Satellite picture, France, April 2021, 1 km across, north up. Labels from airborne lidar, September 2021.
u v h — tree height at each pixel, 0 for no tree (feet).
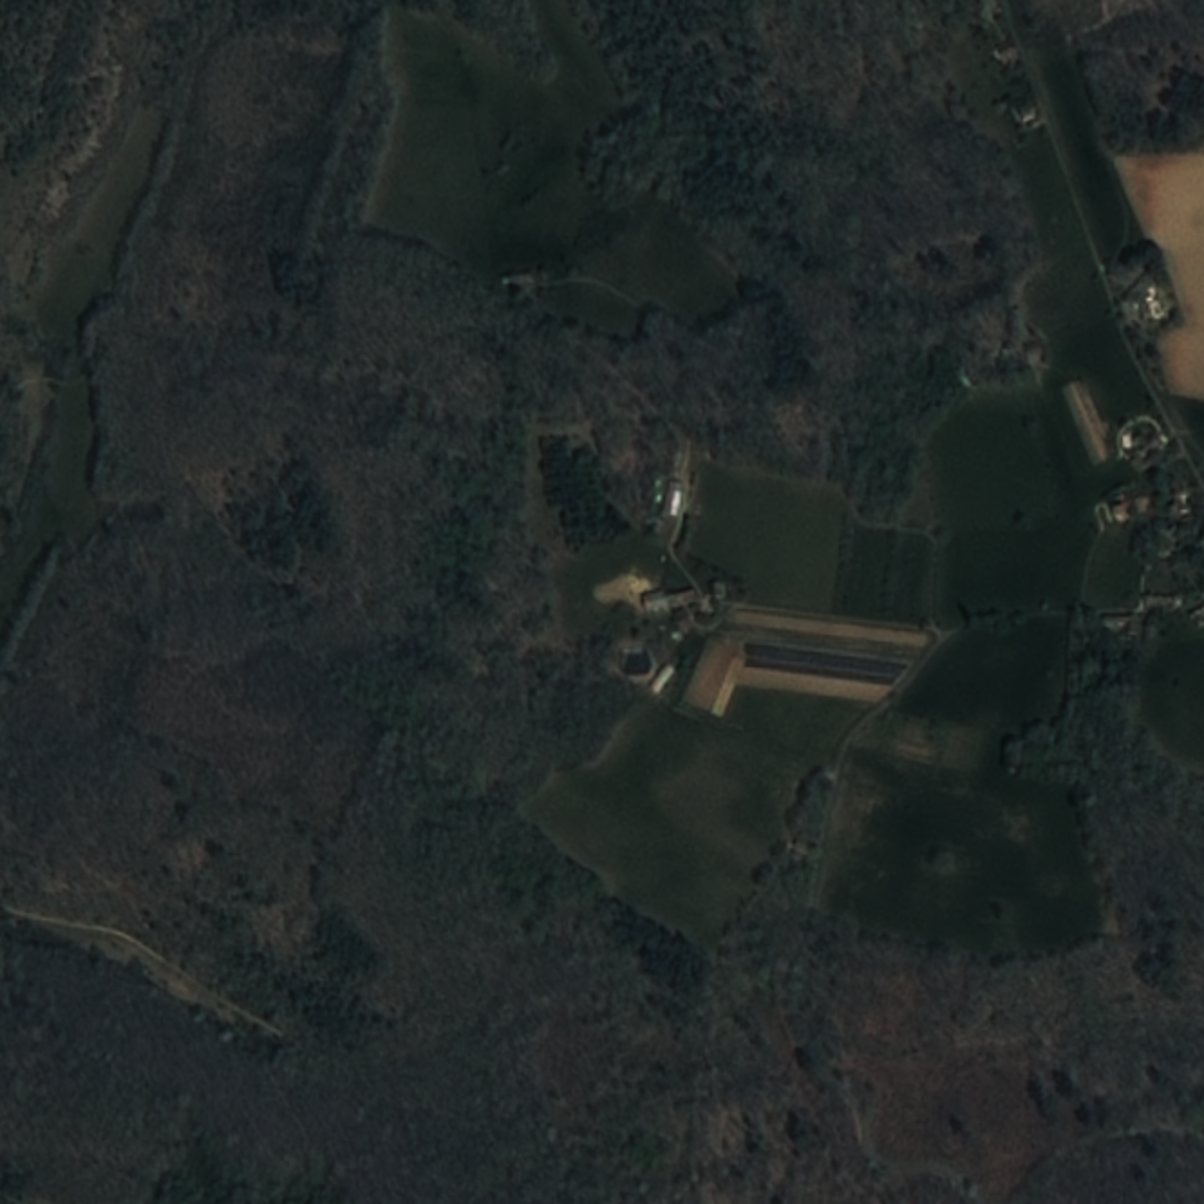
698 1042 36
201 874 25
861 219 64
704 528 0
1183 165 0
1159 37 57
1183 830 78
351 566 45
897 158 68
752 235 54
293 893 34
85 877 40
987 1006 58
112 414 59
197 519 44
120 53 21
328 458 46
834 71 43
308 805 18
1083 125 0
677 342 51
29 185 29
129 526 38
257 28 28
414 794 69
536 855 64
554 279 0
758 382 57
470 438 66
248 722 19
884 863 0
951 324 48
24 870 34
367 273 64
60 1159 49
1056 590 0
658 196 44
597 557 0
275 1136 69
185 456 34
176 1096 60
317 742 27
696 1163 40
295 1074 71
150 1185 58
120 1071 57
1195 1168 40
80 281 0
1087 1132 60
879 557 0
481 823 68
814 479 58
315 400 37
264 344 46
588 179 43
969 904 0
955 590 0
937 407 41
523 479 51
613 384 61
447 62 0
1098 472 0
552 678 49
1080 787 35
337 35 44
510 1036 64
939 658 0
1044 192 0
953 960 59
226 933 38
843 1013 28
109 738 39
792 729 0
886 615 21
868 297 48
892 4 53
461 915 48
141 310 32
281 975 21
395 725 72
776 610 0
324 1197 24
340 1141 60
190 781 36
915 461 70
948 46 43
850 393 48
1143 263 64
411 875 64
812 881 60
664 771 0
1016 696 0
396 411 40
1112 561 0
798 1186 61
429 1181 61
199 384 37
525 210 25
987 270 72
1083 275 0
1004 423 0
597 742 49
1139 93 45
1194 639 0
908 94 40
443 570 63
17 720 46
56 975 52
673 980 80
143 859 36
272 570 36
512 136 21
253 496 36
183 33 58
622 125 45
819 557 0
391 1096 62
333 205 40
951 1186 20
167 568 41
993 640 0
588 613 0
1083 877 0
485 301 60
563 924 53
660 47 32
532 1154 68
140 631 41
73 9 22
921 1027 25
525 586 53
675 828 0
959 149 66
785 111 27
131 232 46
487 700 71
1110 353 0
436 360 74
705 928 0
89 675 19
